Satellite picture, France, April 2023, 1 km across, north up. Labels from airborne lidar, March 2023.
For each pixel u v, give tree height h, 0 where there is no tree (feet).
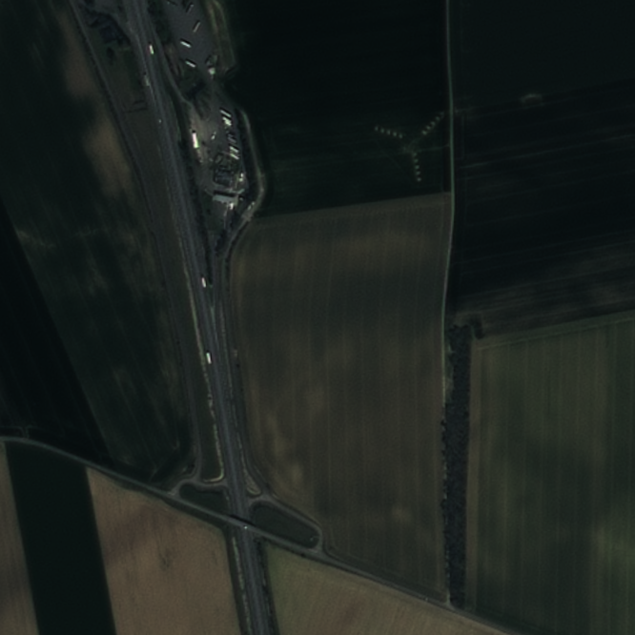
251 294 0
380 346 0
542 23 0
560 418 0
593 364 0
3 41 0
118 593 0
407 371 0
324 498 0
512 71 0
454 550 49
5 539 0
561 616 0
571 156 0
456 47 0
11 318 0
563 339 0
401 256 0
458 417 21
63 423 0
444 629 0
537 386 0
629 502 0
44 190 0
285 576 0
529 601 0
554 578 0
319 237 0
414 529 0
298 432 0
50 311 0
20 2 0
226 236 38
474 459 0
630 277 0
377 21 0
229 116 0
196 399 0
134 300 0
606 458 0
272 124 0
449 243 0
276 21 0
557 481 0
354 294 0
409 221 0
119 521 0
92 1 32
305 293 0
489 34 0
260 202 0
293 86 0
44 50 0
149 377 0
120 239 0
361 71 0
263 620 0
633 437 0
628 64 0
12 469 0
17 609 0
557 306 0
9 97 0
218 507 0
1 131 0
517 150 0
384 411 0
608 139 0
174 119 0
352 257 0
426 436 0
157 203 0
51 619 0
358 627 0
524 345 0
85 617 0
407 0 0
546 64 0
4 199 0
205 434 0
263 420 0
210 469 0
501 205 0
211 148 0
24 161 0
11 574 0
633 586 0
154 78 0
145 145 0
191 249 0
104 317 0
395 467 0
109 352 0
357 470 0
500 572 0
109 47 0
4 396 0
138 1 0
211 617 0
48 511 0
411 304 0
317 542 0
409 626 0
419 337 0
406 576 0
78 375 0
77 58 0
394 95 0
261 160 0
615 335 0
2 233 0
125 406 0
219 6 0
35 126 0
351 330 0
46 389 0
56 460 0
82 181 0
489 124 0
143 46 0
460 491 28
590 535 0
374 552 0
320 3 0
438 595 0
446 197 0
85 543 0
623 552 0
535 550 0
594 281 0
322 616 0
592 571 0
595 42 0
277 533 0
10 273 0
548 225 0
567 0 0
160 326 0
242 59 0
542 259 0
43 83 0
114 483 0
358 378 0
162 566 0
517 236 0
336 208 0
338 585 0
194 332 0
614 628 0
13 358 0
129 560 0
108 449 0
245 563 0
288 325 0
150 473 0
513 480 0
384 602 0
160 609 0
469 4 0
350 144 0
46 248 0
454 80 0
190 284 0
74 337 0
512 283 0
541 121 0
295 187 0
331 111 0
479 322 0
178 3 0
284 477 0
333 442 0
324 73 0
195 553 0
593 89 0
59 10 0
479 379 0
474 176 0
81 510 0
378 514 0
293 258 0
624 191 0
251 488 0
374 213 0
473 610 0
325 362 0
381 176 0
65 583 0
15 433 0
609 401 0
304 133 0
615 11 0
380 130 0
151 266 0
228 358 0
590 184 0
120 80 0
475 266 0
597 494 0
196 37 0
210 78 0
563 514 0
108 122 0
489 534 0
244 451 0
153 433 0
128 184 0
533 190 0
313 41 0
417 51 0
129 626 0
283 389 0
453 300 0
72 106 0
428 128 0
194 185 31
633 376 0
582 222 0
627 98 0
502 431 0
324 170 0
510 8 0
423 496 0
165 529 0
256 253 0
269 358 0
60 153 0
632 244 0
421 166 0
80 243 0
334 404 0
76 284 0
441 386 0
